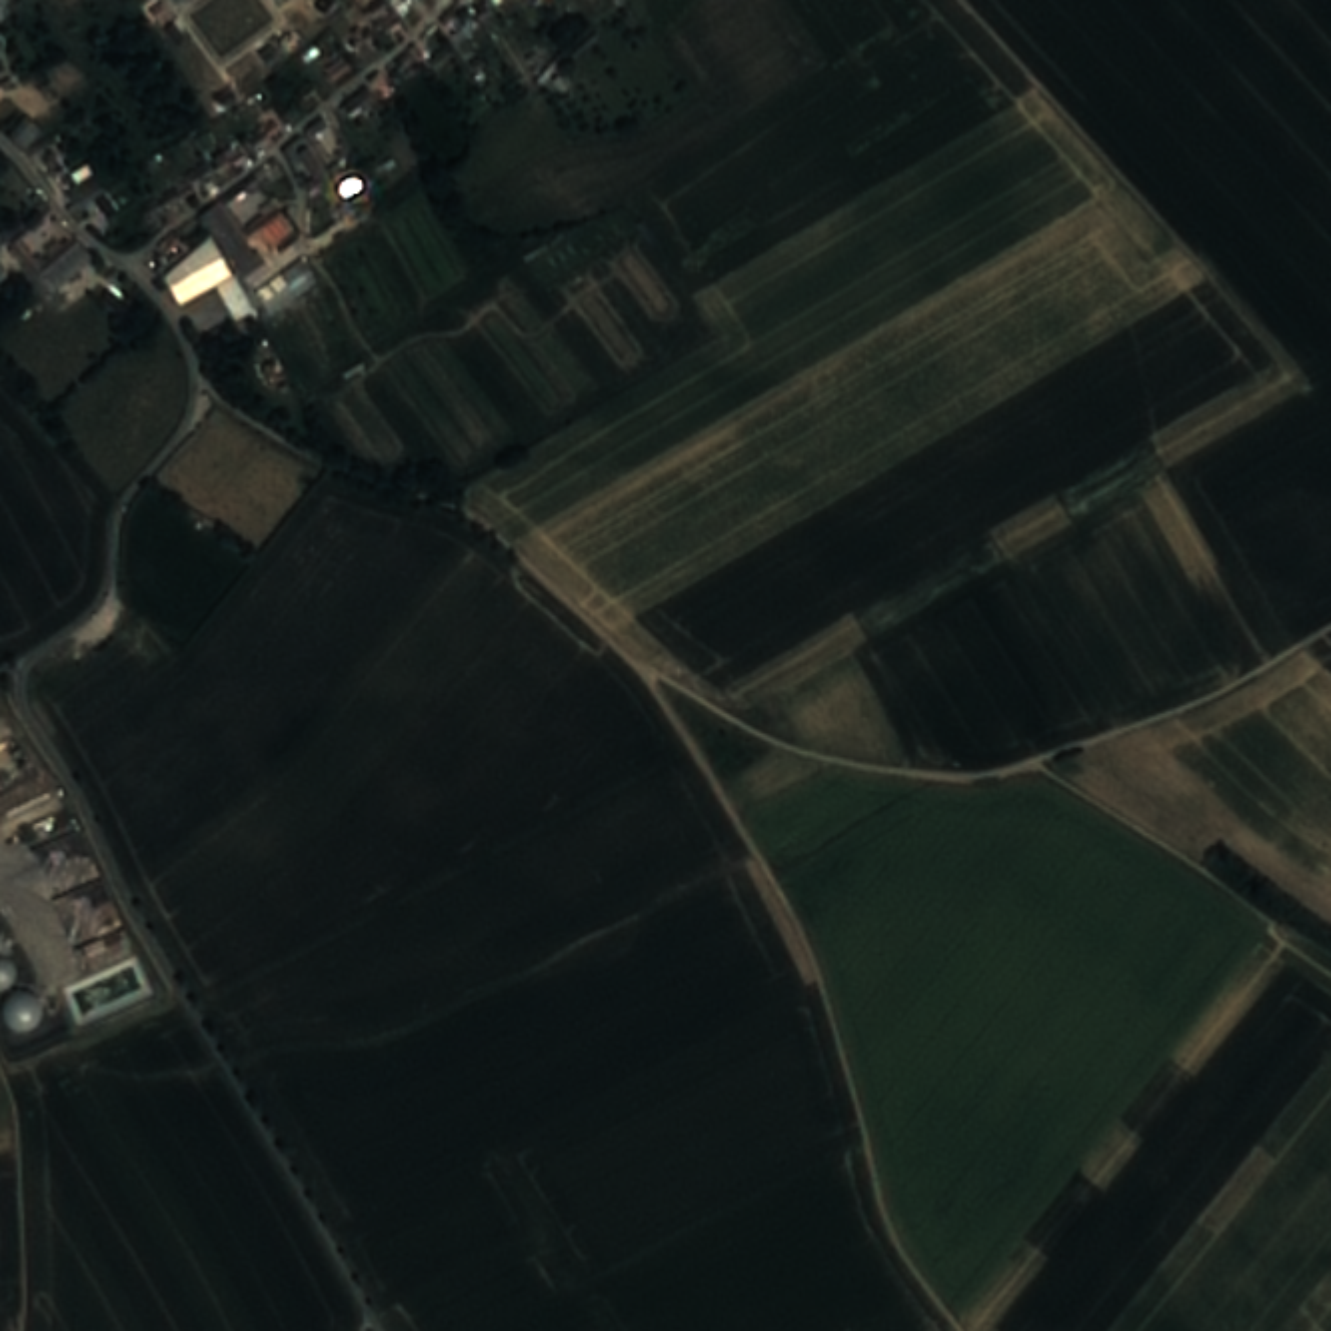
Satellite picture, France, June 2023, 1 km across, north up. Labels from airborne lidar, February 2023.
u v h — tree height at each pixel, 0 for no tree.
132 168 8
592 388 0
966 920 0
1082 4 0
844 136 0
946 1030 0
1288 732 0
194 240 6
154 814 0
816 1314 0
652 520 0
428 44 0
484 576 0
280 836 0
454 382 0
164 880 0
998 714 0
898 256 0
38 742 0
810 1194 0
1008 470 0
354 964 0
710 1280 0
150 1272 0
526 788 0
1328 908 0
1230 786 0
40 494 0
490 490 0
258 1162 0
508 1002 0
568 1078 0
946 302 0
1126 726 0
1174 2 0
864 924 0
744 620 0
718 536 0
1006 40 0
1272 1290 0
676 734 0
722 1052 0
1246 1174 0
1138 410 0
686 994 0
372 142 0
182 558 0
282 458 0
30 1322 0
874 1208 0
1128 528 0
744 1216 0
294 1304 0
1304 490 0
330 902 0
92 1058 0
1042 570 0
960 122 0
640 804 0
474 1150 0
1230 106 0
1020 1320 0
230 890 0
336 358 0
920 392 0
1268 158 0
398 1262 0
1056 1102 0
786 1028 0
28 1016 0
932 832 0
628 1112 0
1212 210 0
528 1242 0
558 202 0
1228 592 0
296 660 0
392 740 0
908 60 0
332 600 0
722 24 0
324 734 0
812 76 0
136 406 0
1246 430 0
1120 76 0
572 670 0
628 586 0
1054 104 0
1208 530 0
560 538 0
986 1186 0
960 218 0
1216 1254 0
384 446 0
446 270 0
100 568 0
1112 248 0
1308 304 0
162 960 0
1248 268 0
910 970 0
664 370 0
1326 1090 0
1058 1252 0
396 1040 0
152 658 0
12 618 0
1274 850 0
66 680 0
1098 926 0
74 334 0
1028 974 0
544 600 0
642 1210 0
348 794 0
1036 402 0
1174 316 0
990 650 0
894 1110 0
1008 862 0
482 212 0
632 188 0
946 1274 0
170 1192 0
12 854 0
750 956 0
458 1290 0
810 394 0
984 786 0
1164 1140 0
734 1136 0
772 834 0
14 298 16
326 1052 0
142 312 16
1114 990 0
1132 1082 0
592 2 0
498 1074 0
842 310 0
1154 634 0
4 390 0
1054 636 0
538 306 0
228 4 0
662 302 0
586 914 0
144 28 15
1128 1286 0
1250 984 0
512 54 0
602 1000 0
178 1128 0
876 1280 0
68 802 0
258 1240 0
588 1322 0
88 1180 0
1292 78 0
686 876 0
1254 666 0
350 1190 0
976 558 0
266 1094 0
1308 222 0
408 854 0
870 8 0
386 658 0
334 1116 0
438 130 0
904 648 0
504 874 0
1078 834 0
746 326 0
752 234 0
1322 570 0
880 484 0
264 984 0
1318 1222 0
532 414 0
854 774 0
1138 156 0
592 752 0
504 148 0
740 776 0
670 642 0
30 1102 0
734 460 0
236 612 0
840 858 0
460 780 0
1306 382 0
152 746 0
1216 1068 0
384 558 0
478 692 0
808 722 0
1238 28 0
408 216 0
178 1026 0
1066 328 0
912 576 0
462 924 0
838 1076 0
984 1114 0
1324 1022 0
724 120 0
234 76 0
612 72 6
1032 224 0
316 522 0
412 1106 0
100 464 0
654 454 0
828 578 0
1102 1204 0
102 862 0
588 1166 0
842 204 0
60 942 0
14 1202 0
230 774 0
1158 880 0
